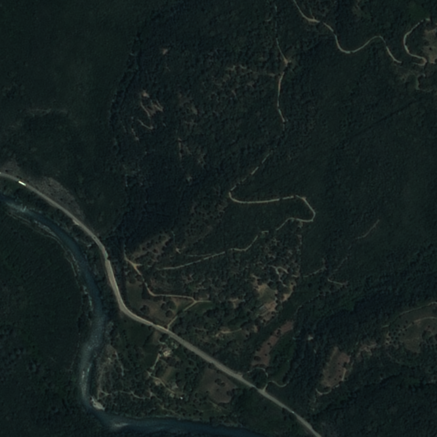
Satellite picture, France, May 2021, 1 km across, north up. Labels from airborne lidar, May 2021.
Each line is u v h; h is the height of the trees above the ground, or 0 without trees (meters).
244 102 7
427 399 9
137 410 6
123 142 10
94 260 11
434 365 6
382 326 8
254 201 13
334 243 9
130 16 9
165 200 18
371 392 21
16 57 6
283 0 9
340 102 9
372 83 9
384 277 23
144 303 0
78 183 10
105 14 10
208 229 0
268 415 0
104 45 8
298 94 12
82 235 11
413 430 11
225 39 10
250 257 13
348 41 10
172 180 14
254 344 7
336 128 7
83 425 20
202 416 13
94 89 11
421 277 6
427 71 11
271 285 17
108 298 12
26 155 10
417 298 15
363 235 9
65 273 6
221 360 6
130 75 18
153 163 17
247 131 6
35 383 8
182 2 9
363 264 12
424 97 7
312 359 17
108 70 9
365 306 18
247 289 8
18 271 8
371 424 12
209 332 11
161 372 12
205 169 16
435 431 10
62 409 23
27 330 6
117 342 13
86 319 19
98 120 12
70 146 8
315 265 12
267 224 12
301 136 8
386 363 14
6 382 11
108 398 7
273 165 8
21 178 11
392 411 17
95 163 9
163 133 15
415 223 9
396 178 8
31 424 10
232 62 14
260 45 8
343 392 20
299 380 10
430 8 7
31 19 7
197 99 8
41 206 14
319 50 14
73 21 6
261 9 7
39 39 6
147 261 16
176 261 10
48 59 6
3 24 7
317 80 9
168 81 9
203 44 19
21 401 9
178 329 12
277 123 13
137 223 21
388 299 18
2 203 23
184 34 10
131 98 15
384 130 7
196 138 17
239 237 17
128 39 18
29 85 6
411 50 8
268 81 12
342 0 14
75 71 6
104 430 19
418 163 12
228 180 19
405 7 8
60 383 8
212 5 14
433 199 16
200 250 9
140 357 11
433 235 11
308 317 15
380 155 7
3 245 8
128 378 8
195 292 9
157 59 13
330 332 8
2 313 7
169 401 11
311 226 8
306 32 7
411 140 7
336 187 12
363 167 11
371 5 10
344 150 14
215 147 9
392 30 15
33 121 15
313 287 29
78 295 7
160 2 8
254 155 12
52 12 6
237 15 9
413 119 14
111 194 9
